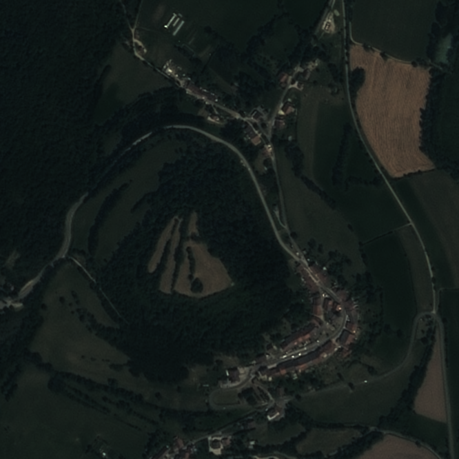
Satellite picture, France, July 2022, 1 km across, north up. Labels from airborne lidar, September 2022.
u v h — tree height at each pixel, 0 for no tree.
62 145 16
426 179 0
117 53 0
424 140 20
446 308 0
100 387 9
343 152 18
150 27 0
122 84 0
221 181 26
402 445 0
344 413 0
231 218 8
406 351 0
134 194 0
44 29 13
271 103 0
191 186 26
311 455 12
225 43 17
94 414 0
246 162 0
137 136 13
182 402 0
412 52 0
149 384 0
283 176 0
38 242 8
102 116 0
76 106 23
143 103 6
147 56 0
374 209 0
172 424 0
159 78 0
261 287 17
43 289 20
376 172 12
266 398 10
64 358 0
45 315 0
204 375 0
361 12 0
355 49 0
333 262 6
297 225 0
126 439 0
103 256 0
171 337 24
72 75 21
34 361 14
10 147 14
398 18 0
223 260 17
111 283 16
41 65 12
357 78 17
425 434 0
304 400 0
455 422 0
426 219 0
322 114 0
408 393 14
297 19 0
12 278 6
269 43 0
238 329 12
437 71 8
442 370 0
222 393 0
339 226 0
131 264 19
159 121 15
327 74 0
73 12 12
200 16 0
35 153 18
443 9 28
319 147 0
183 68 0
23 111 11
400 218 0
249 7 0
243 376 0
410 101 0
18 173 13
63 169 12
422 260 0
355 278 8
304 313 7
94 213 0
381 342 0
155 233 21
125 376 0
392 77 0
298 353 0
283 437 0
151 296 13
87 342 0
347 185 19
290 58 16
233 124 19
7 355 22
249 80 22
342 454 12
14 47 21
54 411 0
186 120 16
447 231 0
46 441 0
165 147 0
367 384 0
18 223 13
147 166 0
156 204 17
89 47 15
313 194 0
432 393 0
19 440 0
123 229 0
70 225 0
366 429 13
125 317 14
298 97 0
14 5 15
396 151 0
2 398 0
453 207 0
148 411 0
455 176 20
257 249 22
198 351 22
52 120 14
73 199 22
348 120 0
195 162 11
